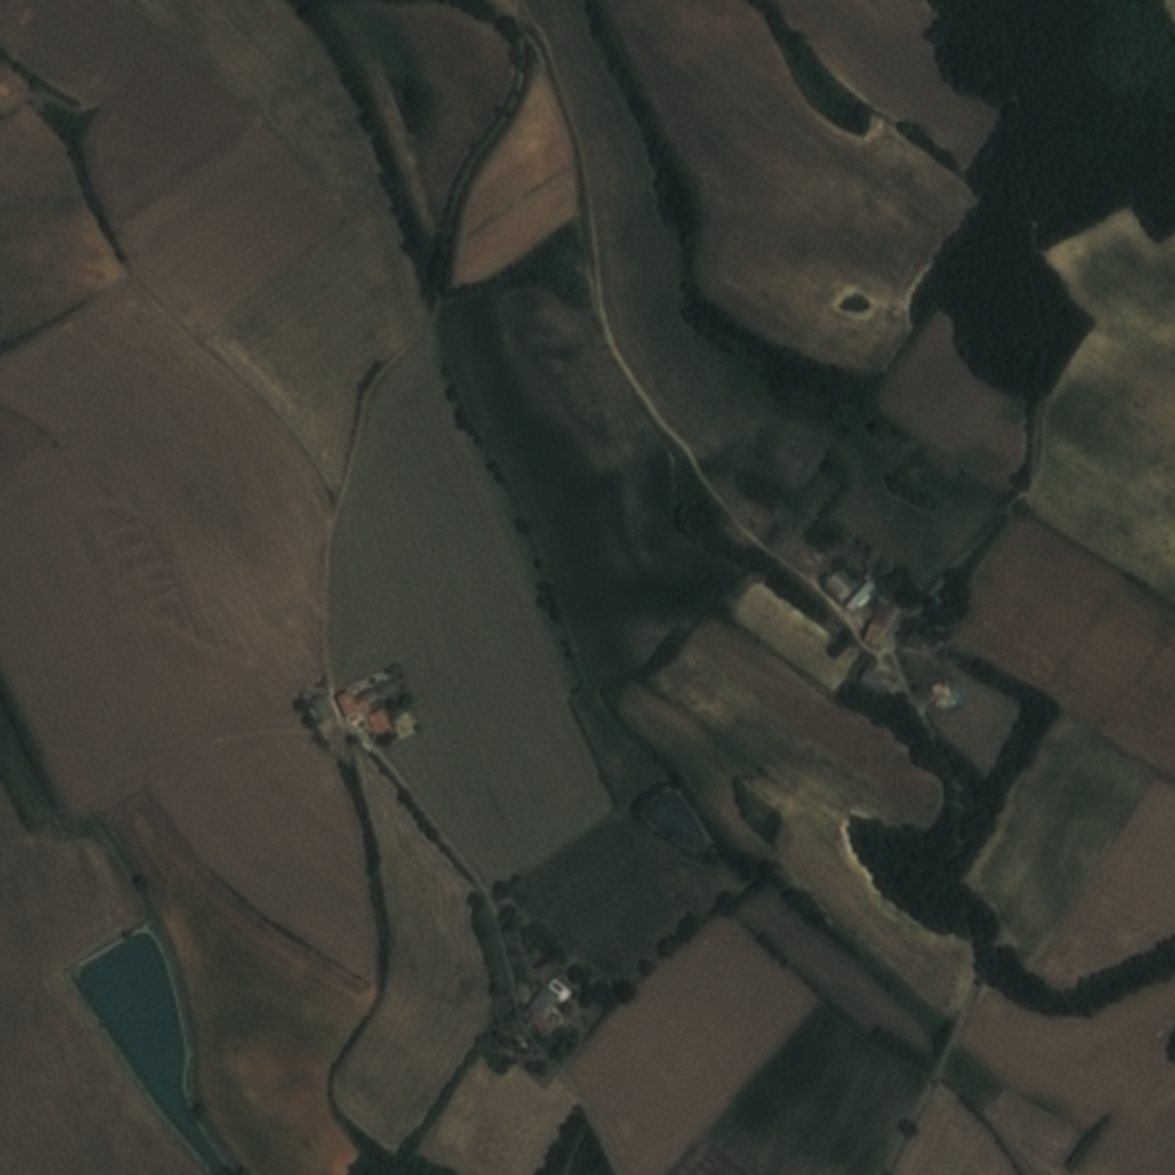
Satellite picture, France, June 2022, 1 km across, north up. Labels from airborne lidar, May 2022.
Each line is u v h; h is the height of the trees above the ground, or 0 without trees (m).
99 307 0
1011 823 0
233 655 0
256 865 0
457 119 0
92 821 0
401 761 0
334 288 0
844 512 0
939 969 0
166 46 0
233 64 0
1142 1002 0
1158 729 0
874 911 0
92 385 0
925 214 0
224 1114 0
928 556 0
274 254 0
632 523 0
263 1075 0
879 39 0
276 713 0
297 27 0
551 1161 12
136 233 0
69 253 0
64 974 0
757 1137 0
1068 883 0
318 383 0
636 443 0
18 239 0
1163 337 0
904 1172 0
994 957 15
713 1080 0
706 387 0
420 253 24
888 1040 10
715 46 0
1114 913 0
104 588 0
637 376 0
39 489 0
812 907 14
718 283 0
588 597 0
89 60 0
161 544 0
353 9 0
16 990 0
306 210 0
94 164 0
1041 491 0
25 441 0
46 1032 0
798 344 0
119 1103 0
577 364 0
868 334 0
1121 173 13
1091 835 0
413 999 0
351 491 0
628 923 0
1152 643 0
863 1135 0
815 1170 0
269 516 0
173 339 0
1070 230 11
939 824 9
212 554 0
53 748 0
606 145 0
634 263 0
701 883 0
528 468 0
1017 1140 0
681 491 6
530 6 0
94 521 0
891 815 0
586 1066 0
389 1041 0
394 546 0
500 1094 0
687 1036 0
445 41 0
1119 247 0
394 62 0
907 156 0
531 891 0
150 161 0
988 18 14
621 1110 0
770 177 0
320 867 0
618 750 0
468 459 0
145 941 0
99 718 0
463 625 0
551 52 0
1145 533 0
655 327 0
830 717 0
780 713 0
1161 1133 0
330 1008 0
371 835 8
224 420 0
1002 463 0
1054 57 17
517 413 0
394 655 0
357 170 0
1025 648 0
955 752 6
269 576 0
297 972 0
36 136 0
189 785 0
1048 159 19
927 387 0
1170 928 0
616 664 0
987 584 0
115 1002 0
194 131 0
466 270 0
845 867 0
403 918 0
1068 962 0
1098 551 0
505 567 0
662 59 0
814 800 0
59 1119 0
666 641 6
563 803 0
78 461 0
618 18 0
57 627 0
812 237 0
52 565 0
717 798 0
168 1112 0
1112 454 0
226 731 0
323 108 0
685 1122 0
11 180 0
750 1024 0
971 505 0
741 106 0
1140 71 10
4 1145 0
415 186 0
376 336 0
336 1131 0
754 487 5
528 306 0
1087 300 0
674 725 0
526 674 0
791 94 0
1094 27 16
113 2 0
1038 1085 0
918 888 14
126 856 0
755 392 0
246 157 0
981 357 19
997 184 19
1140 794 0
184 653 0
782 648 0
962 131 0
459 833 0
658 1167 0
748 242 0
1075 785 0
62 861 0
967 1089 0
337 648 0
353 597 0
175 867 0
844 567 10
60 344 0
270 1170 0
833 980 0
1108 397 0
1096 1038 0
